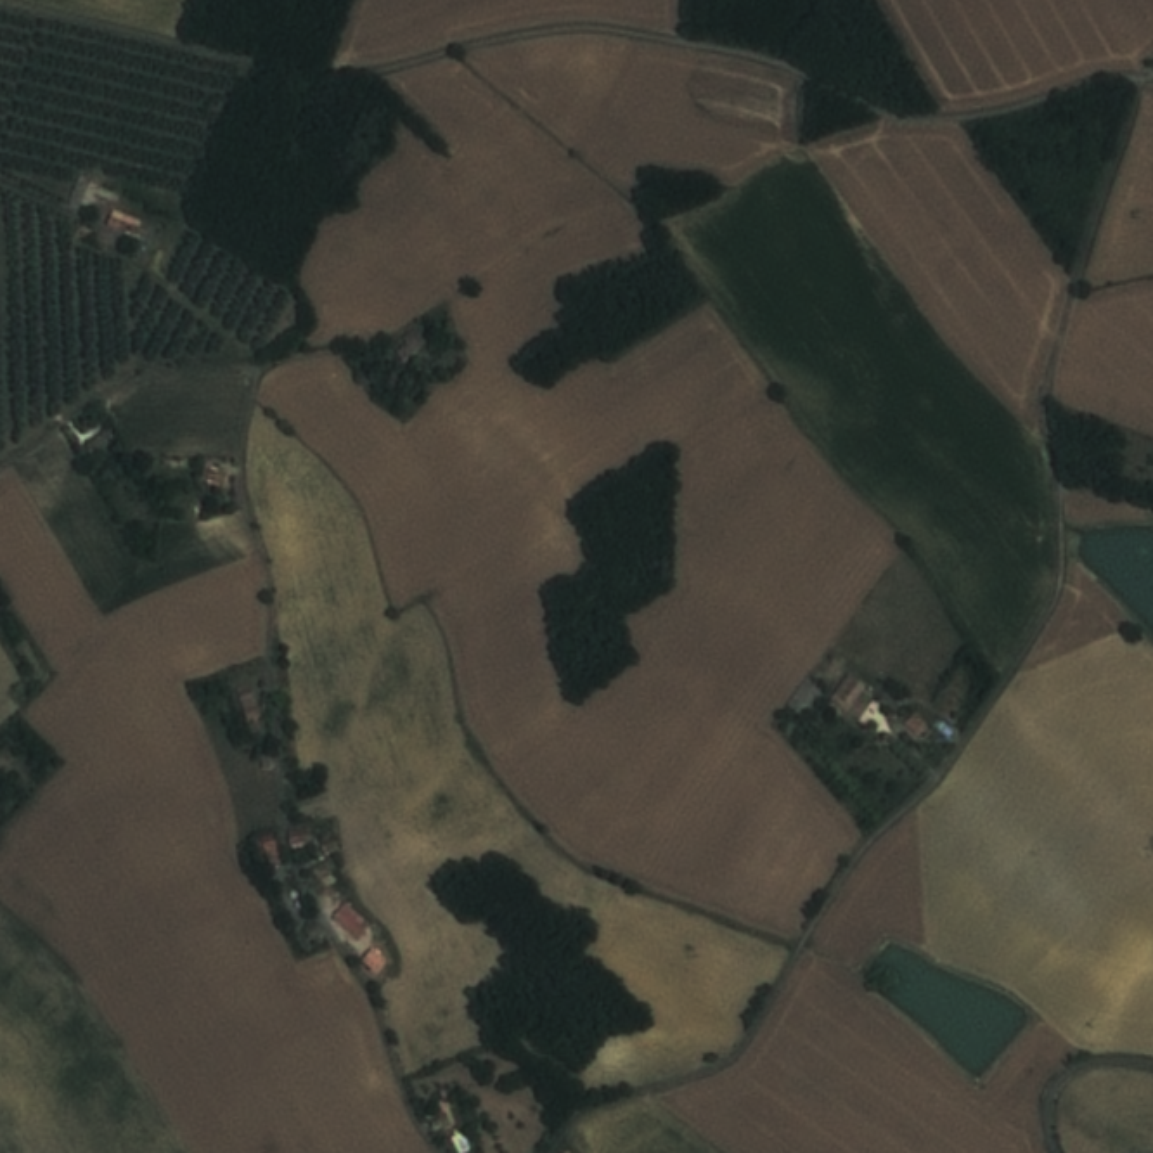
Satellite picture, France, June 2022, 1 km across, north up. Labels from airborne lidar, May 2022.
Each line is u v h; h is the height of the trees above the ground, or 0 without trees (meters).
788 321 0
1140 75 0
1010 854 0
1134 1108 0
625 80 0
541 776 0
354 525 0
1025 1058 0
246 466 0
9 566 0
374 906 0
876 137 0
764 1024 0
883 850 0
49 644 0
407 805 0
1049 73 0
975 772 0
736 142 0
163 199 0
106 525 0
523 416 0
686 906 0
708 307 0
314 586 0
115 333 13
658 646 0
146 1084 0
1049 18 0
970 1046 0
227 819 0
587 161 0
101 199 0
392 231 0
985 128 12
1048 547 0
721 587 0
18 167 15
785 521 0
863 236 0
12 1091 0
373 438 0
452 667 0
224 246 15
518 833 0
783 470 0
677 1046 0
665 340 0
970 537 0
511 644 0
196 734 0
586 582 14
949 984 0
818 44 21
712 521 0
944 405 0
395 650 0
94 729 0
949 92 0
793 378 0
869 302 0
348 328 0
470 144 0
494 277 0
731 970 0
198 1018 0
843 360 0
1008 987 0
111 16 0
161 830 0
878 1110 0
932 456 0
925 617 0
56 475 0
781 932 0
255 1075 0
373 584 0
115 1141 0
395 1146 0
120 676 0
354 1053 0
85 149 16
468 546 0
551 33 0
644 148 0
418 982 0
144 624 0
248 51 17
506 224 0
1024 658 0
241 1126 0
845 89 15
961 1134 0
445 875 11
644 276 19
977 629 0
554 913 18
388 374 12
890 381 0
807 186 0
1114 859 0
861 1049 0
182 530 0
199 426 0
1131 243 0
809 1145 0
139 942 0
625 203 0
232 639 0
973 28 0
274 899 8
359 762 0
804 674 0
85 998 0
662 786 0
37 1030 0
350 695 0
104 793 0
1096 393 0
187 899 0
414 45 0
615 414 0
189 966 0
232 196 20
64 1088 0
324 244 0
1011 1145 0
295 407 0
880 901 0
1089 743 0
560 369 18
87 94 16
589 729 0
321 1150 0
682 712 0
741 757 0
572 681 14
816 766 7
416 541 0
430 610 0
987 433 0
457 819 0
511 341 0
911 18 0
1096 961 0
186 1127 0
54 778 0
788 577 0
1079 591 0
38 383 17
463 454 0
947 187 0
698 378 0
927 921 0
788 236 0
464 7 0
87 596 0
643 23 0
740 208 0
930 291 0
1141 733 0
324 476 0
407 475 0
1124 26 0
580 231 0
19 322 13
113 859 0
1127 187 0
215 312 10
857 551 0
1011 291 0
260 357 14
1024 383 0
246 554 0
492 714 0
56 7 0
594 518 18
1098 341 0
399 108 16
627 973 0
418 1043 0
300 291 13
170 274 10
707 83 0
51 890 0
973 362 0
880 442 0
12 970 0
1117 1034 0
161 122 16
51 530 0
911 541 11
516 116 0
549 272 0
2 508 0
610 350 18
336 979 0
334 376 0
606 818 0
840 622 0
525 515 0
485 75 0
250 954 0
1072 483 18
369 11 0
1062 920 0
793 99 0
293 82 20
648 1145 0
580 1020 14
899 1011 0
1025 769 0
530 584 0
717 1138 0
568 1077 7
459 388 0
